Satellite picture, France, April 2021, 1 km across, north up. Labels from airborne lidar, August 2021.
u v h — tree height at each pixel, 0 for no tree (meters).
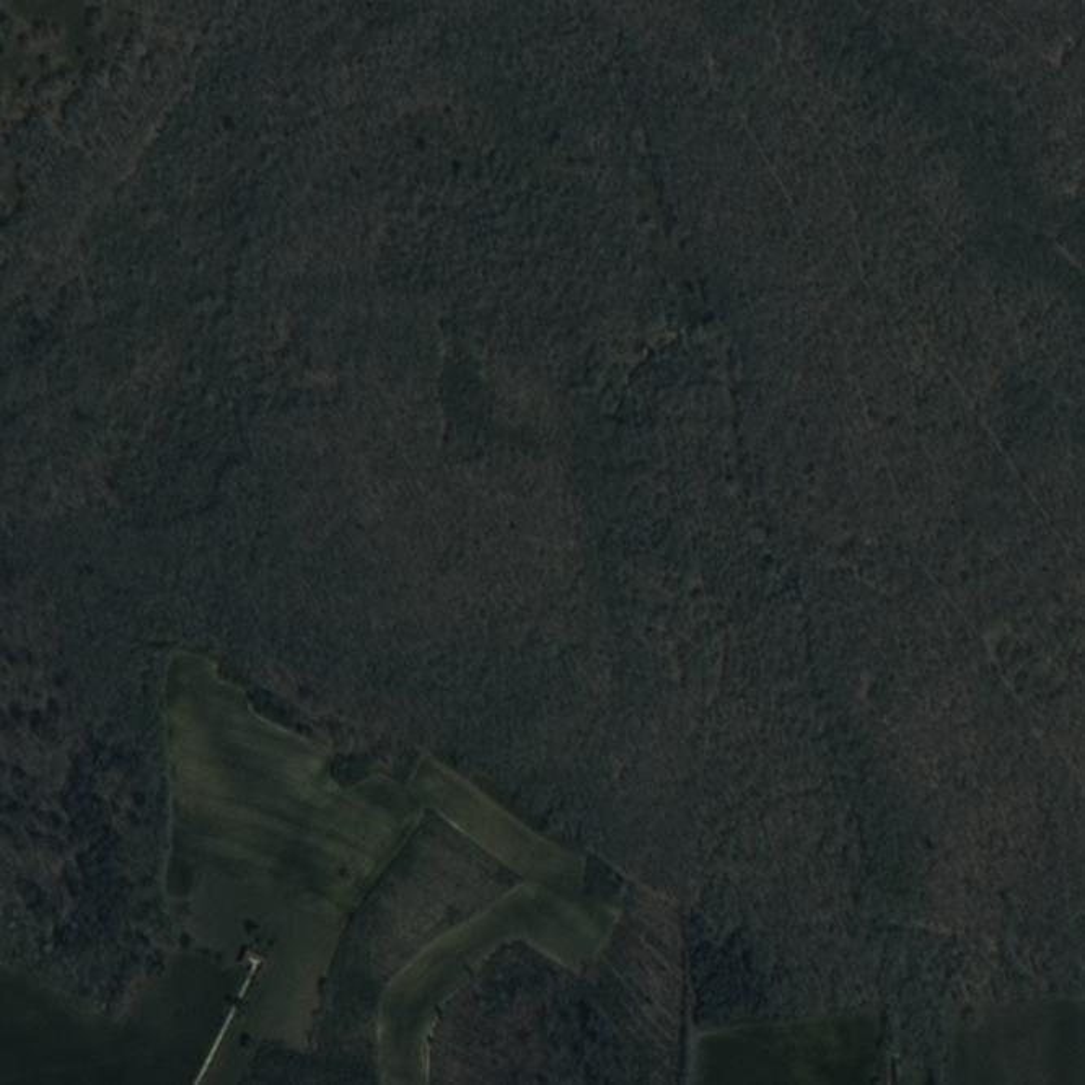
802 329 7
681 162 8
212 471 11
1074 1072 0
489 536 8
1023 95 8
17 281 14
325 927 0
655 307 11
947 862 12
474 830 0
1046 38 13
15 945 22
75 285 12
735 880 12
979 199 16
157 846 22
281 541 14
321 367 12
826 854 15
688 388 8
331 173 9
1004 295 12
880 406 15
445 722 20
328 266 13
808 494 7
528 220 7
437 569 11
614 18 12
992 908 11
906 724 10
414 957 0
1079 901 13
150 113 14
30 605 14
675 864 14
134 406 9
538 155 14
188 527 18
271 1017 0
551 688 15
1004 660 15
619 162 11
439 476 10
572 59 8
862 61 7
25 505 17
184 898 0
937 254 8
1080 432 15
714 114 7
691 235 10
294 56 6
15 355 16
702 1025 16
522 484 9
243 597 22
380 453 12
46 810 19
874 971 17
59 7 0
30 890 14
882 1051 9
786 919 18
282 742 0
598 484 14
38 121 16
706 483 9
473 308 10
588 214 9
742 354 10
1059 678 7
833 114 9
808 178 11
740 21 11
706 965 21
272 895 0
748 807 17
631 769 7
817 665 15
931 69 11
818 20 11
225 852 0
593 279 7
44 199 18
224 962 11
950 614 12
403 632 14
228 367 9
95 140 18
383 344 13
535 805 19
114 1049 0
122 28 0
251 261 14
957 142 14
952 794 7
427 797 0
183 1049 0
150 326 7
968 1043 0
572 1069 7
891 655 8
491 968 7
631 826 12
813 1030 0
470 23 13
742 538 11
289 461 11
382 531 14
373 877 0
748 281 7
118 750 20
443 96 12
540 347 12
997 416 15
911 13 11
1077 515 14
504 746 16
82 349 12
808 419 8
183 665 0
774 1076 0
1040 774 12
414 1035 0
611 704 12
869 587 6
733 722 11
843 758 16
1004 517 17
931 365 10
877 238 12
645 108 13
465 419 7
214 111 9
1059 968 16
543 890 0
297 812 0
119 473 12
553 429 8
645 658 8
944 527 10
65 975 22
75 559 18
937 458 13
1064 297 10
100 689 20
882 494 10
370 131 11
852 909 15
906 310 7
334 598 17
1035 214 16
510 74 15
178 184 12
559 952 0
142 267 9
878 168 10
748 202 9
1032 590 12
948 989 10
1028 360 8
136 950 17
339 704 16
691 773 14
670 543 12
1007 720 12
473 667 19
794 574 7
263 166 7
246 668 18
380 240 14
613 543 11
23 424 16
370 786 0
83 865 9
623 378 18
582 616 14
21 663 19
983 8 11
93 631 16
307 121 6
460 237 12
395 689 21
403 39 11
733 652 8
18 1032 0
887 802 13
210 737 0
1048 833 12
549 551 8
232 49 8
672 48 10
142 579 18
